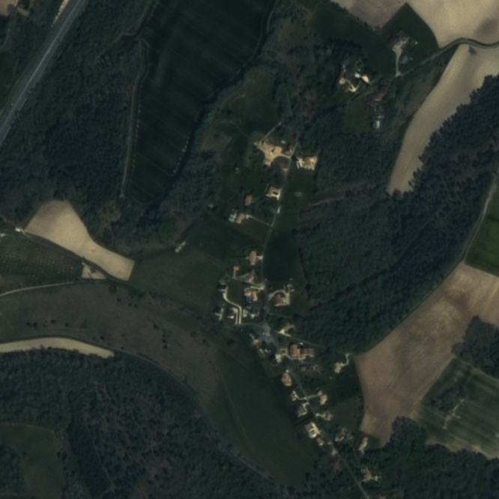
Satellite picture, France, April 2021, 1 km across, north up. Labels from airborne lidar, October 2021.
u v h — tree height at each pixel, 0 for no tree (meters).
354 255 22
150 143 0
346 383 0
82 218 8
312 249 22
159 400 26
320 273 14
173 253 0
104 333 0
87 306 0
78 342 0
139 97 0
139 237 15
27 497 0
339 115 19
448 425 0
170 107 0
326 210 14
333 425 0
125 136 13
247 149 0
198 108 0
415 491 15
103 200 15
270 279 0
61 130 23
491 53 0
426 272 20
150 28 0
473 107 12
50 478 0
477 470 27
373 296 20
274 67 12
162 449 17
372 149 16
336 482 8
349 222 20
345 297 27
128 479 15
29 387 15
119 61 11
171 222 9
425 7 0
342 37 0
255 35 0
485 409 0
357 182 17
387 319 24
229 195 0
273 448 0
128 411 7
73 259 0
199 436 14
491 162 17
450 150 16
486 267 0
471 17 0
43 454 0
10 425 10
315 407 11
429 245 23
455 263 13
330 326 18
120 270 0
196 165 19
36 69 0
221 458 9
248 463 14
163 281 0
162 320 0
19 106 0
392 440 13
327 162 23
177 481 10
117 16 17
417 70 9
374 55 0
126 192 0
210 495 17
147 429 17
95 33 15
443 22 0
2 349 0
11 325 0
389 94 11
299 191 0
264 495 9
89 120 20
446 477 21
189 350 0
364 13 0
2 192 23
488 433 0
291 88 14
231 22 0
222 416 0
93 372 10
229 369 0
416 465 17
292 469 0
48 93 13
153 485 9
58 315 0
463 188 17
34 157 24
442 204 9
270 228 0
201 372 0
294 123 21
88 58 18
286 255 0
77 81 19
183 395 7
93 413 12
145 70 0
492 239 0
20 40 19
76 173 21
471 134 19
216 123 0
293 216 0
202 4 0
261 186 0
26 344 0
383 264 27
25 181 20
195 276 0
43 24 11
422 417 0
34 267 0
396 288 22
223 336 17
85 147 20
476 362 14
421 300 13
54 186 20
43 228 0
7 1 0
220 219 0
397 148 9
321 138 20
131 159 0
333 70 10
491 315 0
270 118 0
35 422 21
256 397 0
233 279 0
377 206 19
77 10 0
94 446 10
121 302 9
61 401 19
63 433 12
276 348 0
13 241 0
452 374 0
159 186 0
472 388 0
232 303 0
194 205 18
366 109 8
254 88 0
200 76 0
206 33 0
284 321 6
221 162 0
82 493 7
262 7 0
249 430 0
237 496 15
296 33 0
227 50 0
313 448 0
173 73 0
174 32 0
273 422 0
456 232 11
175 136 0
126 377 21
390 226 20
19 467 22
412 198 16
